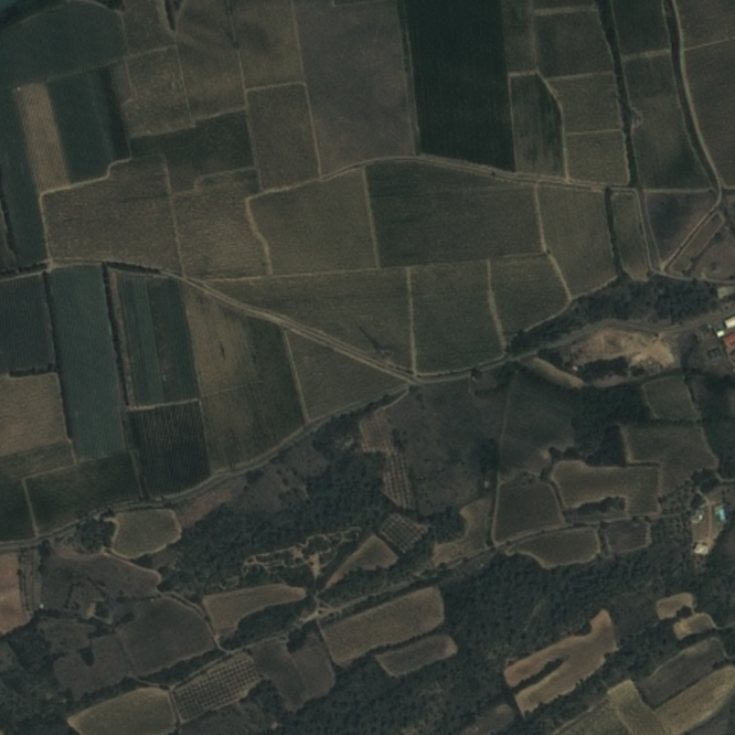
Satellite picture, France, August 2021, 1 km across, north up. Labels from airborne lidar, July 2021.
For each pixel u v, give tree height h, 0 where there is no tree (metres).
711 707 0
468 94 0
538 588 8
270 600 0
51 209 0
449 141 0
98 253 0
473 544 0
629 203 0
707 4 0
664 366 0
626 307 7
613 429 12
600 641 0
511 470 0
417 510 7
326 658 0
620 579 9
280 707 13
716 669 7
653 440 0
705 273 0
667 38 0
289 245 0
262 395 0
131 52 0
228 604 0
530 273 0
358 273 0
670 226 0
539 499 0
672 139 0
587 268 0
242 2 0
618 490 0
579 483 0
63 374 11
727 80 0
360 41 0
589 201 0
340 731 9
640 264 0
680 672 0
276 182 0
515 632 10
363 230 0
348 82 0
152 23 0
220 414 0
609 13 7
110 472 0
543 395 0
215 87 0
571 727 0
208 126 0
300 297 0
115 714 0
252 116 0
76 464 0
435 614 0
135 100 0
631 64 0
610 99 0
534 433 0
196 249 0
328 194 0
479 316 0
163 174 0
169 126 0
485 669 6
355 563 0
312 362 0
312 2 0
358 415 7
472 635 13
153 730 0
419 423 0
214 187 0
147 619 0
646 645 7
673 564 7
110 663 0
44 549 6
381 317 0
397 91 0
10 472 0
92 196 0
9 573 0
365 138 0
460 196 0
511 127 0
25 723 6
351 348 0
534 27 0
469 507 0
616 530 0
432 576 13
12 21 10
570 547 0
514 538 0
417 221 0
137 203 0
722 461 6
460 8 0
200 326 0
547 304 0
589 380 10
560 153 0
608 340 0
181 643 0
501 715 0
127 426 7
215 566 6
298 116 0
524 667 0
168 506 9
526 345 9
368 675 10
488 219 0
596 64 0
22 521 0
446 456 0
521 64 0
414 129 0
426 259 0
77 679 0
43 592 0
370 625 0
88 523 9
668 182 0
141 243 0
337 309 0
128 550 0
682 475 0
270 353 0
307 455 0
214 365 0
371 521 9
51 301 12
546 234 0
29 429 0
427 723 8
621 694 0
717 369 0
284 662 0
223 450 0
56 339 11
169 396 0
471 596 10
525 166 0
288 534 7
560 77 0
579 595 12
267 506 0
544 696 0
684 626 0
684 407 0
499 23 0
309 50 0
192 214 0
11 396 0
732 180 0
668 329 0
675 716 0
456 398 0
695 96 0
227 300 0
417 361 0
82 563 0
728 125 0
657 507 0
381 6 0
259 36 0
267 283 0
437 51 0
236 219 0
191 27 0
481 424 0
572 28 0
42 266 9
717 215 0
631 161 7
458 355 0
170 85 0
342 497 10
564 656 0
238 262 0
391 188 0
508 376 7
